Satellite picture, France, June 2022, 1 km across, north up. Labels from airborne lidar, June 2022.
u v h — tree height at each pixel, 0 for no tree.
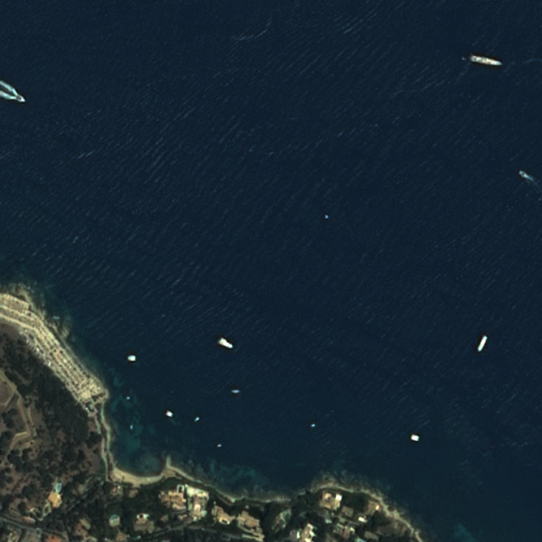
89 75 0
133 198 0
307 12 0
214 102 0
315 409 0
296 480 0
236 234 0
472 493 0
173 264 0
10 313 0
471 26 0
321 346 0
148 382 0
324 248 0
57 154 0
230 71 0
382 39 0
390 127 0
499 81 0
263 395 0
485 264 0
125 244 0
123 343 0
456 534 0
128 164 0
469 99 0
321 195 0
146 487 6
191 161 0
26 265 0
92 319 0
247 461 0
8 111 0
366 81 0
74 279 0
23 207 0
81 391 0
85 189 0
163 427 0
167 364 0
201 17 0
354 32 0
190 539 14
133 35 0
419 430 0
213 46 0
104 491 10
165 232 0
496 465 0
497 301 0
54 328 0
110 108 0
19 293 0
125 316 0
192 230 0
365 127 0
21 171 0
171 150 0
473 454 0
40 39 0
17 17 0
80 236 0
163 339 0
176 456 0
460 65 0
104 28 0
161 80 0
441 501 0
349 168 0
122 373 0
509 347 0
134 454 0
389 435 0
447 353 0
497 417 0
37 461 5
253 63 0
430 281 0
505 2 0
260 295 0
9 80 0
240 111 0
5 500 11
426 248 0
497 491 0
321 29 0
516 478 0
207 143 0
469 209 0
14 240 0
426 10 0
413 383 0
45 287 0
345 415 0
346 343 0
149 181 0
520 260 0
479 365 0
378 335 0
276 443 0
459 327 0
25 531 6
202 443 0
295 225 0
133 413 0
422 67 0
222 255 0
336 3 0
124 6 0
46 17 0
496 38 0
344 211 0
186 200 0
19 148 0
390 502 0
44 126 0
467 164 0
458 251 0
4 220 0
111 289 0
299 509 11
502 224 0
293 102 0
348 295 0
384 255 0
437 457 0
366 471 0
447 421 0
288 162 0
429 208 0
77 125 0
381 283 0
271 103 0
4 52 0
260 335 0
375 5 0
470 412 0
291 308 0
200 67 0
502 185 0
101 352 0
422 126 0
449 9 0
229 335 0
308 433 0
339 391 0
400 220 0
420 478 0
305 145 0
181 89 0
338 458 0
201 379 0
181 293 0
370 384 0
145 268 0
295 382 0
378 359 0
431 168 0
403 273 0
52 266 0
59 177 0
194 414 0
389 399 0
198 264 0
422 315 0
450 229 0
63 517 15
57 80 0
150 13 0
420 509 0
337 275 0
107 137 0
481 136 0
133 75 0
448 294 0
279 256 0
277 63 0
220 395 0
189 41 0
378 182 0
